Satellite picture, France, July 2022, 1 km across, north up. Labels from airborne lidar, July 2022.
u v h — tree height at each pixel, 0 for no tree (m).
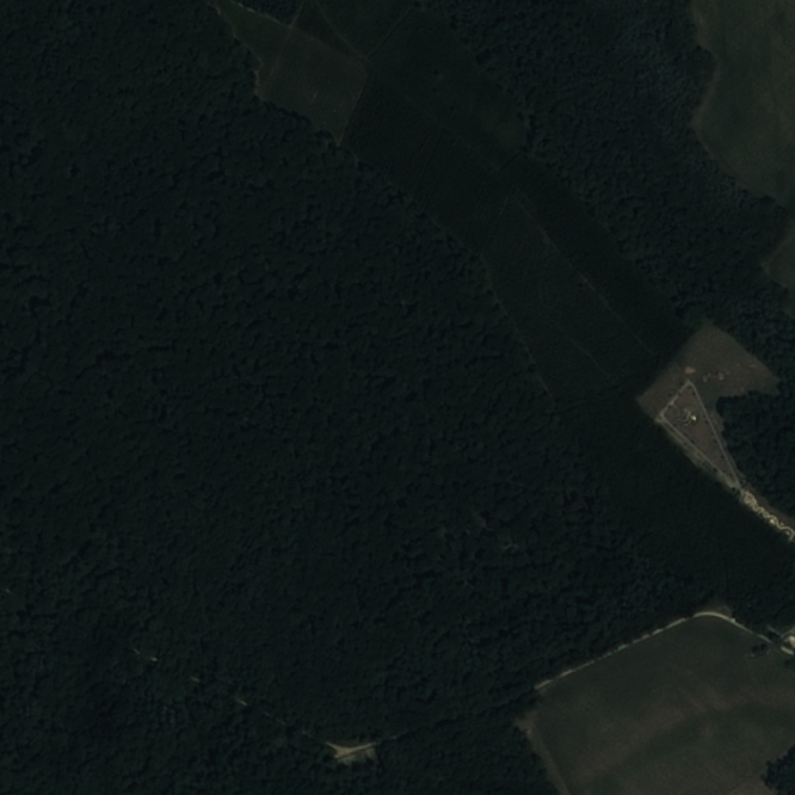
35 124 32
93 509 29
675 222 25
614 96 23
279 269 27
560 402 11
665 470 8
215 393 28
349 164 28
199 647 18
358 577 22
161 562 29
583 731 0
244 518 23
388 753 26
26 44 25
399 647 25
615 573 16
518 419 22
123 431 26
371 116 9
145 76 24
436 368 25
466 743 21
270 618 21
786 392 16
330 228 28
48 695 26
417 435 27
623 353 6
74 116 26
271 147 30
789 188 0
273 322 30
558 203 8
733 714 0
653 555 8
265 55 0
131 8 27
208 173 16
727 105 0
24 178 31
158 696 22
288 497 24
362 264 29
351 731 24
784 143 0
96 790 21
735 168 0
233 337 29
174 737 23
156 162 30
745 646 0
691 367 0
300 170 27
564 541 25
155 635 23
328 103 0
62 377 30
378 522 30
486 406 21
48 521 30
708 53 11
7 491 32
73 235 31
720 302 19
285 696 24
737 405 21
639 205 20
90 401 32
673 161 20
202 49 26
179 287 30
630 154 24
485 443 28
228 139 30
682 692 0
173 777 17
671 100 20
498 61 25
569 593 23
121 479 25
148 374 32
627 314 7
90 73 26
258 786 16
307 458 26
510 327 21
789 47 0
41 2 27
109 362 32
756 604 15
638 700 0
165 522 19
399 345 26
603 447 10
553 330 6
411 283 28
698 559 10
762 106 0
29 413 32
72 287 29
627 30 22
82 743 22
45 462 28
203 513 21
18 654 18
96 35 27
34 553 16
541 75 24
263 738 19
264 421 30
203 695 16
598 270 6
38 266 28
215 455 29
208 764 16
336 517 26
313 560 24
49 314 29
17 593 28
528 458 29
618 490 10
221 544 20
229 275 30
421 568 32
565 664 17
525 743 24
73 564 10
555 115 27
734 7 0
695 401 0
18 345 28
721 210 21
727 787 0
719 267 24
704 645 0
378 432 30
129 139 27
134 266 31
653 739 0
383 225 29
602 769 0
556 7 24
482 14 24
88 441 32
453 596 29
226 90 26
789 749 0
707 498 10
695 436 0
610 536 22
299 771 16
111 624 12
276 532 24
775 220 22
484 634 24
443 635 21
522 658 23
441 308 29
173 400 31
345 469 29
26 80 27
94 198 29
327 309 30
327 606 23
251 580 22
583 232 7
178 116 28
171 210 29
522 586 27
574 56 25
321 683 24
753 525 10
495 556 31
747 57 0
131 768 23
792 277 0
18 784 27
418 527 28
